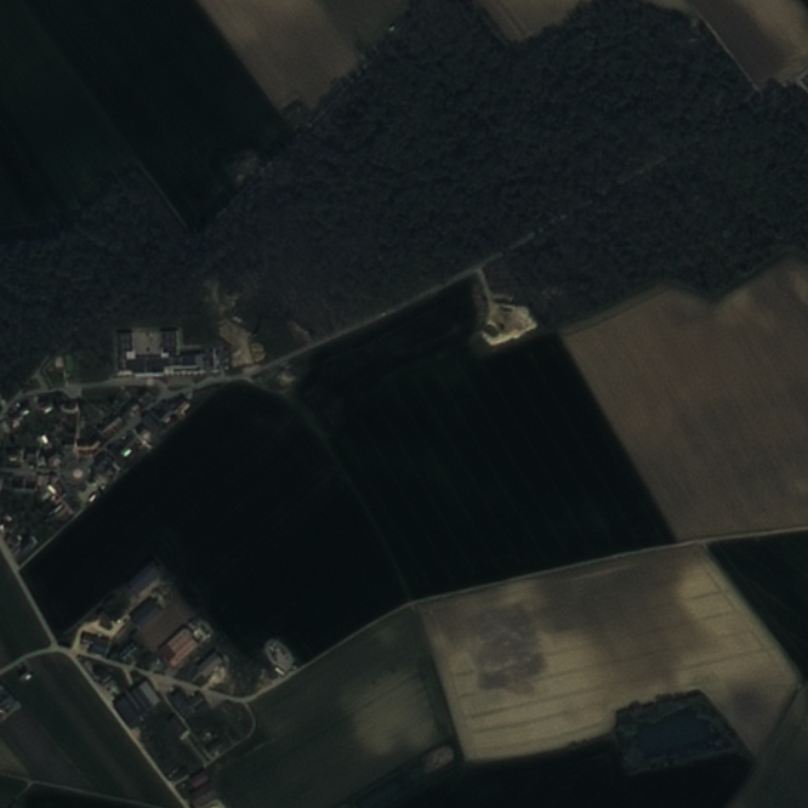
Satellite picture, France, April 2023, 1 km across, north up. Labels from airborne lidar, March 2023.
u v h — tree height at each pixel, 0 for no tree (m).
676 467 0
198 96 0
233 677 0
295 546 0
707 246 20
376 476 0
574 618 0
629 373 0
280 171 21
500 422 0
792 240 21
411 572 0
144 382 0
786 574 0
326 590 0
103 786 0
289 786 0
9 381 17
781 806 0
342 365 0
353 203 22
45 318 22
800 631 0
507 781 0
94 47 0
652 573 0
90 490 0
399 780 0
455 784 0
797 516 0
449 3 16
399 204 19
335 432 0
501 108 19
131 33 0
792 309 0
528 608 0
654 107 17
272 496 0
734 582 0
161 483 0
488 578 0
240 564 0
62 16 0
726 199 23
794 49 0
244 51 0
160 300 18
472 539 0
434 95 19
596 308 20
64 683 0
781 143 16
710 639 0
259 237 19
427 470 0
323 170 20
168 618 0
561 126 19
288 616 0
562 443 0
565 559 0
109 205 21
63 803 0
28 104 0
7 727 0
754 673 0
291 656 0
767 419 0
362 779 0
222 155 0
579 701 0
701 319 0
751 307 0
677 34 18
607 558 0
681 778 0
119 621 0
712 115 19
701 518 0
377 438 0
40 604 0
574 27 13
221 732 0
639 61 18
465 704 0
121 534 0
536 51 17
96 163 0
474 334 0
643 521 0
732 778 0
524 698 0
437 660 0
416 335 0
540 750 0
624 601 0
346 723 0
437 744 0
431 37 18
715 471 0
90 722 0
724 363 0
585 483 0
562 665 0
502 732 0
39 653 0
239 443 0
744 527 0
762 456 0
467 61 20
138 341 0
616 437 0
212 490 0
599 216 13
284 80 0
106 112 0
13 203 0
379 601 0
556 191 19
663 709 8
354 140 18
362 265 21
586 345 0
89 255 13
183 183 0
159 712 0
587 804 0
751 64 0
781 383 0
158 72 0
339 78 0
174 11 0
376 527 0
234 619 0
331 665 0
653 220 16
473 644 0
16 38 0
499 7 0
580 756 0
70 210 0
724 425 0
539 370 0
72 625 0
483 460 0
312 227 20
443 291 0
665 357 0
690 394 0
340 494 0
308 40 0
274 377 0
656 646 0
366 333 0
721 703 0
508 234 24
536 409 0
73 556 0
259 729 0
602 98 16
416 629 0
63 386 0
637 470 0
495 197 21
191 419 0
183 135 0
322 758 0
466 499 0
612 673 0
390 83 18
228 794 0
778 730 0
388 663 0
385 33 0
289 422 0
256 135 0
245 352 0
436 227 18
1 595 0
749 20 0
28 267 13
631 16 17
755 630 0
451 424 0
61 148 0
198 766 0
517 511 0
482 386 0
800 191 19
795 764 0
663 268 13
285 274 19
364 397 0
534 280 20
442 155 21
